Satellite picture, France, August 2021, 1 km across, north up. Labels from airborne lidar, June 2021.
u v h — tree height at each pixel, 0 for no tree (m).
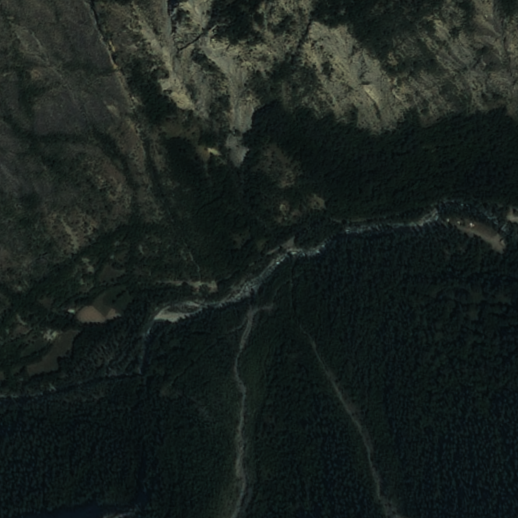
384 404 8
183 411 10
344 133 16
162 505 16
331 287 13
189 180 6
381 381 8
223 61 0
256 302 8
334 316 13
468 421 22
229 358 10
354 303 16
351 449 15
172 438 7
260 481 9
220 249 7
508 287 22
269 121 27
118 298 11
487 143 11
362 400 8
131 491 13
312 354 6
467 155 11
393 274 18
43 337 7
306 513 11
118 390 13
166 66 0
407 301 11
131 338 14
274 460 8
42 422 17
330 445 24
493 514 28
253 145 16
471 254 13
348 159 12
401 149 11
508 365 22
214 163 13
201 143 10
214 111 7
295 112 8
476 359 14
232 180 8
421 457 14
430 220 0
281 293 8
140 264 7
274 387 7
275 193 8
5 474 11
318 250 0
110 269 0
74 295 12
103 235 8
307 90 7
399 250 19
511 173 34
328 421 17
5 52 7
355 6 13
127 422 12
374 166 28
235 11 15
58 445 19
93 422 18
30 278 8
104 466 22
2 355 13
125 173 6
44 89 11
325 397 8
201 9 0
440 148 14
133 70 8
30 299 13
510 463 13
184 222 7
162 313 0
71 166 7
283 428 8
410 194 21
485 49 12
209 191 21
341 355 8
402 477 6
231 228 13
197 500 7
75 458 22
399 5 6
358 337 16
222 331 8
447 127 16
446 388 8
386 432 5
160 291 10
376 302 21
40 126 0
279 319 8
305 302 7
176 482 10
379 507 9
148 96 9
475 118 16
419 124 8
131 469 17
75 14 0
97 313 0
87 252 11
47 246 7
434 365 14
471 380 16
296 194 12
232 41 8
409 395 14
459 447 11
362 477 8
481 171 32
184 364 13
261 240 16
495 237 0
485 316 20
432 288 19
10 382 16
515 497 10
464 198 21
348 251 6
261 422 9
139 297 11
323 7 10
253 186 19
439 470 26
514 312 19
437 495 23
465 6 10
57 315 6
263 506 6
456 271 9
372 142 14
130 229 10
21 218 7
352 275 17
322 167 18
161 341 12
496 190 35
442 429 10
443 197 15
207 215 10
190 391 8
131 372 15
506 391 18
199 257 6
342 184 26
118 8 0
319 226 25
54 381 14
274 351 7
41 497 25
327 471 12
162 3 0
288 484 10
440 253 14
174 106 9
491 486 24
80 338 15
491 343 19
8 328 10
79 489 10
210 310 7
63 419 19
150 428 14
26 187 0
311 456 9
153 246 6
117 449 19
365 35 9
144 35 0
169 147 8
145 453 9
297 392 10
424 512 13
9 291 14
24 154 8
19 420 12
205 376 6
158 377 13
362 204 23
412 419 20
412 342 16
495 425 10
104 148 7
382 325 9
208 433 6
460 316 23
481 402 15
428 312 13
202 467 8
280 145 9
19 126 15
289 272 7
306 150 13
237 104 0
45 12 0
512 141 10
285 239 11
